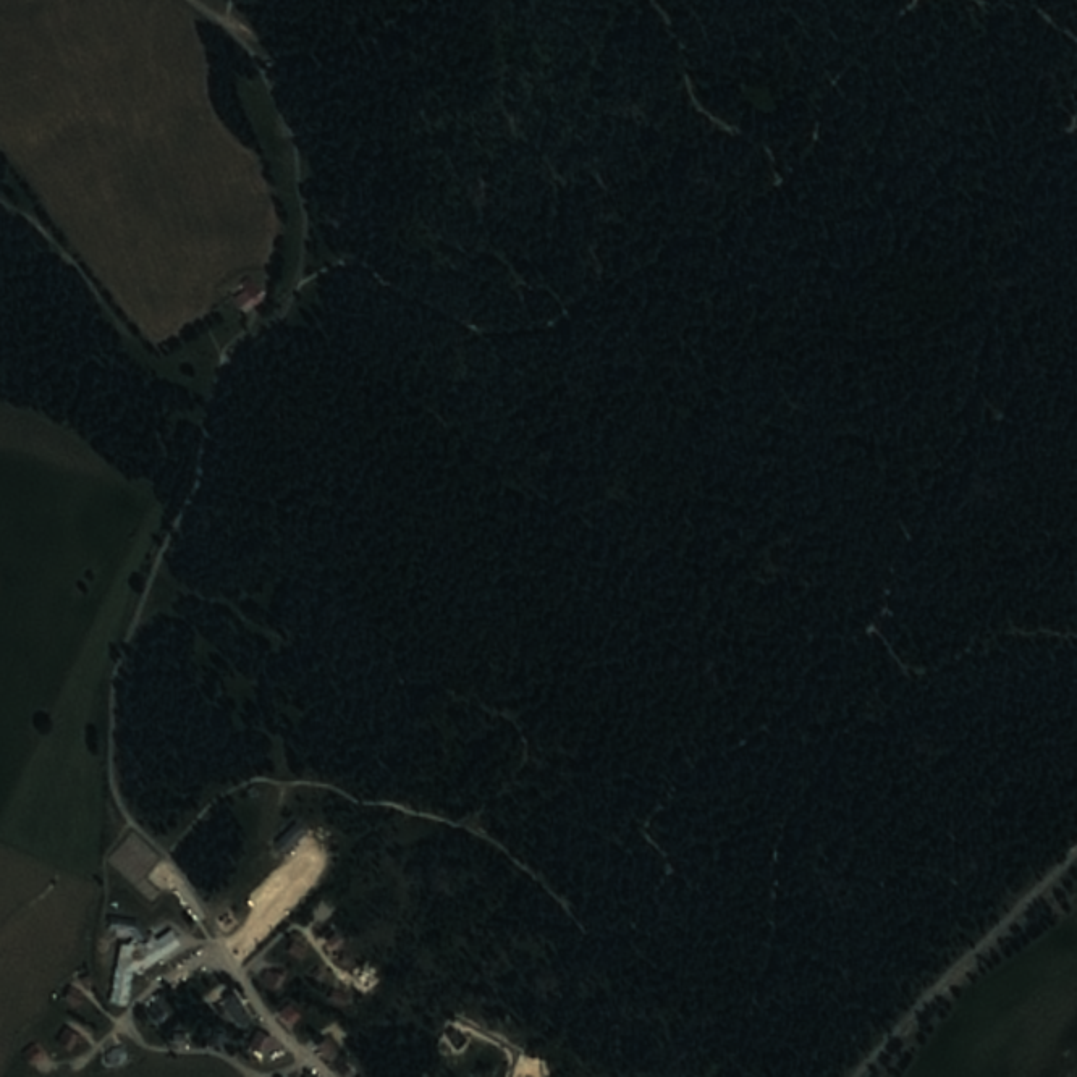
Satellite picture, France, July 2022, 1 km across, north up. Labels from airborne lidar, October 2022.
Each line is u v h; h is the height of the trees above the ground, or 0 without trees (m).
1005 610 13
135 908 0
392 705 21
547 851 20
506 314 23
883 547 22
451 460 13
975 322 23
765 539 19
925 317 22
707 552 20
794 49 17
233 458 25
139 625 0
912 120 16
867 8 16
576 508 17
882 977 13
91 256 0
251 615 18
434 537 18
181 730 23
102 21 0
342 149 22
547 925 23
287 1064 0
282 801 0
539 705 20
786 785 23
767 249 23
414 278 17
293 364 17
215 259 0
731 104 24
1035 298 15
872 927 23
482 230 26
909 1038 0
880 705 7
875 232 18
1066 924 0
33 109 0
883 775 19
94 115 0
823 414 21
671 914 23
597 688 20
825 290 19
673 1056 21
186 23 0
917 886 21
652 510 18
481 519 19
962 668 18
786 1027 25
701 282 22
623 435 25
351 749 5
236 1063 0
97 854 0
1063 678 23
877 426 22
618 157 28
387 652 22
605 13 25
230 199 0
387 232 17
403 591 11
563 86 25
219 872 20
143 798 19
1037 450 21
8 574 0
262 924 0
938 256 19
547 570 23
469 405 21
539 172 21
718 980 25
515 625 17
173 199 0
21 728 0
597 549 24
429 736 16
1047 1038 0
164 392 22
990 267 22
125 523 0
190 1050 0
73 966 0
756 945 24
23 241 20
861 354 23
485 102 22
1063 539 16
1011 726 7
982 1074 0
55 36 0
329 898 0
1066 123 15
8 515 0
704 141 24
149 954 0
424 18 18
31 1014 0
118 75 0
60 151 0
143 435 17
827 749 21
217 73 19
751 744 18
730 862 22
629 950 24
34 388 17
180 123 0
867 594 22
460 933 23
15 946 0
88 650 0
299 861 0
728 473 22
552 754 17
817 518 19
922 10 10
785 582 20
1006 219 24
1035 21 22
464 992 7
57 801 0
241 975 0
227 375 21
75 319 17
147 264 0
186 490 15
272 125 0
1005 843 19
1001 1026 0
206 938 0
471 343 22
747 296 20
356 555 21
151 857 0
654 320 24
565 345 18
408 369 16
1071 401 18
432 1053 16
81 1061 0
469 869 10
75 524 0
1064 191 20
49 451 0
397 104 25
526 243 22
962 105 20
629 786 26
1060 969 0
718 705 24
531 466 13
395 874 0
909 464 21
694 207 24
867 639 27
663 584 21
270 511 21
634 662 15
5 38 0
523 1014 12
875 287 22
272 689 17
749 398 20
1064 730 15
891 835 9
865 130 20
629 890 26
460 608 18
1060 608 17
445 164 20
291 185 0
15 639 0
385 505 16
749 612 19
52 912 0
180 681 22
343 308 21
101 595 0
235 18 0
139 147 0
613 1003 11
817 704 27
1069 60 20
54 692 0
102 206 0
